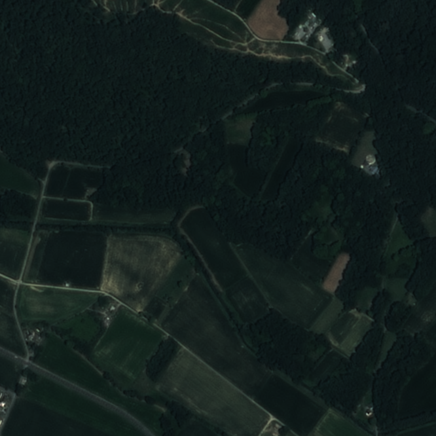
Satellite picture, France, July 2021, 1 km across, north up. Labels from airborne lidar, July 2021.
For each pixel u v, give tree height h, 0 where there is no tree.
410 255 19
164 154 24
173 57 24
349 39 19
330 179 22
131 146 31
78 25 26
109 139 26
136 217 0
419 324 0
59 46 22
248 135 0
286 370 26
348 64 0
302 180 27
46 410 0
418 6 21
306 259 0
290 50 0
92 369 0
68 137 23
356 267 21
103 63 22
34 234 7
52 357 0
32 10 17
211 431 0
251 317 0
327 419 0
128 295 0
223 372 0
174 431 12
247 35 0
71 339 7
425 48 34
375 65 22
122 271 0
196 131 27
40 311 0
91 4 22
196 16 0
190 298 0
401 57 27
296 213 25
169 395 0
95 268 0
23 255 0
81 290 0
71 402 0
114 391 0
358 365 23
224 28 0
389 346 0
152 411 0
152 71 27
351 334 0
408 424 27
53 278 0
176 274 0
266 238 24
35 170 25
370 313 21
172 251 0
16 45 24
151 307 0
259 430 0
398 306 26
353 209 32
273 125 23
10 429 0
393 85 21
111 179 27
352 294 25
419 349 30
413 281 24
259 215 28
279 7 16
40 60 28
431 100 26
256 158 22
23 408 0
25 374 14
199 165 23
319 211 0
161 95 30
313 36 7
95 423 0
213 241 0
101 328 7
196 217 0
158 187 25
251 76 24
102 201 21
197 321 0
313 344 7
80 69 23
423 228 22
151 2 0
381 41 24
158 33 20
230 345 0
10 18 18
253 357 0
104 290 0
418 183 30
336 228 25
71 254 0
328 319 0
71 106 25
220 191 20
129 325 0
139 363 0
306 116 13
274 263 0
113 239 0
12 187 0
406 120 31
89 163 18
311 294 0
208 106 23
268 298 0
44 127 25
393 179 25
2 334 0
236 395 0
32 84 22
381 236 21
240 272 0
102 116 26
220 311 0
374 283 24
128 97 25
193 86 23
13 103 30
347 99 18
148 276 0
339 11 28
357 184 27
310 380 0
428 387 0
